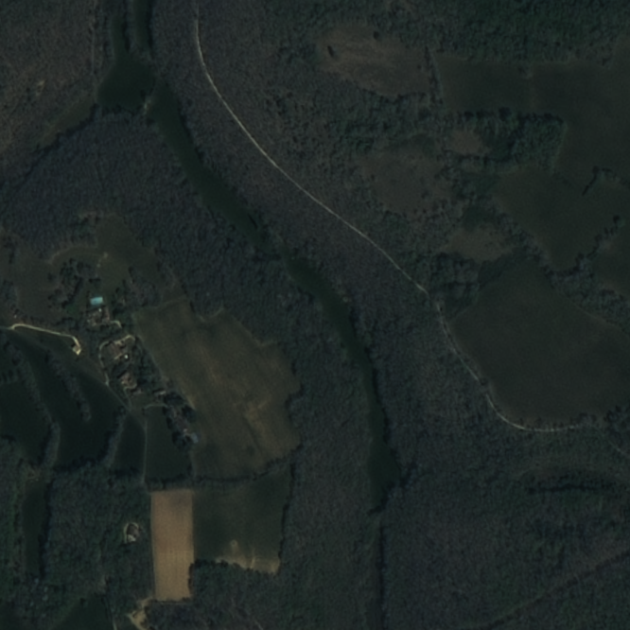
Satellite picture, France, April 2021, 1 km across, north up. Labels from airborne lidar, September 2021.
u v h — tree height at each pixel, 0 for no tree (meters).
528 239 18
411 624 16
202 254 19
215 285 17
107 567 17
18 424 0
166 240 22
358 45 0
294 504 18
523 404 0
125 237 0
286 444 0
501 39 17
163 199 25
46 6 20
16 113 9
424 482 27
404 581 18
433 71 16
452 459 16
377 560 6
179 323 0
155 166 25
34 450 0
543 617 17
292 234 20
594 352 0
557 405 0
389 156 0
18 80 10
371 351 17
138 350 8
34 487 0
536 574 16
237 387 0
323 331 24
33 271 0
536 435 17
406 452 19
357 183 17
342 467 21
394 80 0
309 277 0
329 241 14
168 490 17
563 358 0
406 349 18
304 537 14
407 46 8
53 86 12
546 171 16
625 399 0
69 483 22
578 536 20
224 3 15
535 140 23
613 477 17
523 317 0
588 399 0
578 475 8
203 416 0
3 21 17
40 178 16
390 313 20
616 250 0
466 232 0
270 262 20
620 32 11
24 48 15
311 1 21
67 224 16
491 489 24
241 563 0
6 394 0
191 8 15
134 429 0
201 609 19
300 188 16
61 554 24
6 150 7
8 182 19
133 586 9
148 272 0
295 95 13
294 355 21
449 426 11
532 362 0
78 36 14
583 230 0
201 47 9
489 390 17
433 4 15
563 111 0
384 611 20
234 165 16
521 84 0
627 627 21
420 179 0
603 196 0
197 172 0
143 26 0
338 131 11
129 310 8
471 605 17
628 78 0
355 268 16
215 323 0
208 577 17
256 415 0
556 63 13
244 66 16
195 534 0
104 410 0
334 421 21
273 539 0
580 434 22
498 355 0
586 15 22
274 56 6
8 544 23
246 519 0
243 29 14
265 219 20
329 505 14
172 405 16
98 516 24
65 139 14
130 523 18
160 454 0
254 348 0
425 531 12
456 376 15
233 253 24
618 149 0
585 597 18
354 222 16
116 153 19
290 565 15
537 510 19
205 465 0
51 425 11
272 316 22
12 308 6
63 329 8
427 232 15
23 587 19
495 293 0
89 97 7
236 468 0
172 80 13
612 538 26
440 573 16
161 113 0
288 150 12
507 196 0
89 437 0
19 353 14
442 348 12
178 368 0
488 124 22
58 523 24
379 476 0
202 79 13
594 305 23
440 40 17
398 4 8
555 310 0
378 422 0
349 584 15
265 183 10
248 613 23
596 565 20
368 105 19
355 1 19
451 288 7
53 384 0
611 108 0
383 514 16
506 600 18
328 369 23
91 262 0
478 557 15
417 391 19
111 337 8
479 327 0
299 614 17
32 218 18
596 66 0
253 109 12
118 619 16
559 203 0
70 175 19
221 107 12
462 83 0
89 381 0
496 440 13
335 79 14
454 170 10
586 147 0
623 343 0
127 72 0
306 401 20
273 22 15
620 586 16
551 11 23
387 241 20
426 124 18
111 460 18
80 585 20
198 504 0
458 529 14
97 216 11
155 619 11
